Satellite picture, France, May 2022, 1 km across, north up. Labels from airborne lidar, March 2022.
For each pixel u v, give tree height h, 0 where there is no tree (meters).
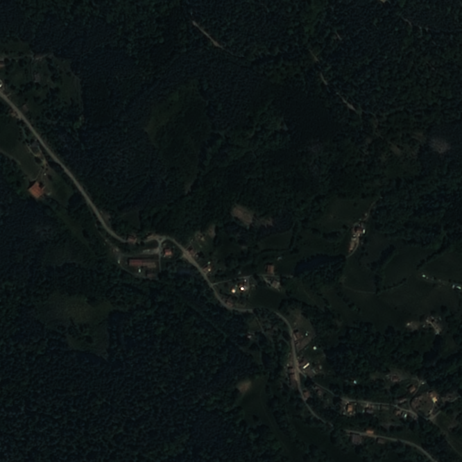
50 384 28
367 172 12
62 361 32
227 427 32
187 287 26
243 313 0
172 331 19
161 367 25
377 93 31
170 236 19
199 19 24
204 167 27
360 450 20
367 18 24
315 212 27
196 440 35
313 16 25
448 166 27
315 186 28
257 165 17
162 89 26
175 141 0
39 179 0
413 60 28
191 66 20
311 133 23
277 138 23
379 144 15
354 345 28
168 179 7
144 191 23
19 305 29
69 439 38
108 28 41
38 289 21
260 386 0
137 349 41
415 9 23
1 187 28
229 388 26
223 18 25
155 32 29
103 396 31
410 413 0
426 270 0
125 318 32
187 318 32
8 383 21
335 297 0
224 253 0
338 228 0
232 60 14
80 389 35
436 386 28
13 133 0
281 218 22
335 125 23
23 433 15
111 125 22
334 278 20
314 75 12
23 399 16
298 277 19
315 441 0
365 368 18
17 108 0
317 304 0
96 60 27
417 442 0
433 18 25
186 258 0
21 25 29
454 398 0
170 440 38
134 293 17
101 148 26
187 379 36
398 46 31
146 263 0
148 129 0
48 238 21
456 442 0
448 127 31
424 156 17
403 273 0
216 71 26
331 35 29
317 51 17
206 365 31
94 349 0
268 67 29
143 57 15
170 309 20
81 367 29
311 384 23
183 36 16
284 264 0
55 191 0
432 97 31
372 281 0
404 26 24
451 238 20
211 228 0
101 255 21
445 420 0
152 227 13
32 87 13
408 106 35
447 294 0
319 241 0
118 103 20
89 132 29
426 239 29
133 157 20
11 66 20
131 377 29
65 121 14
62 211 22
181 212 23
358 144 36
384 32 26
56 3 29
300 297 0
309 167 25
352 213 0
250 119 18
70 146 35
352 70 14
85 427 39
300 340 0
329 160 26
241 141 28
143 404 32
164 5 32
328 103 19
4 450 15
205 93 31
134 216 0
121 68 24
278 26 32
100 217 0
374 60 27
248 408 0
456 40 26
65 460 31
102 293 13
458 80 29
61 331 12
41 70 0
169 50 17
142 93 19
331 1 29
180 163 0
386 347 18
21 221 33
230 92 28
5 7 31
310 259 0
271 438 22
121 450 37
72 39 34
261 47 7
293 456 0
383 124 14
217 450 36
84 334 36
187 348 17
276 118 23
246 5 26
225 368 39
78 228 0
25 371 33
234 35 29
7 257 25
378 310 0
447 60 30
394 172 0
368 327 16
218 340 18
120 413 10
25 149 0
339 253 0
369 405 0
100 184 18
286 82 21
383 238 0
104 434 33
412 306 0
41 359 37
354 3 32
